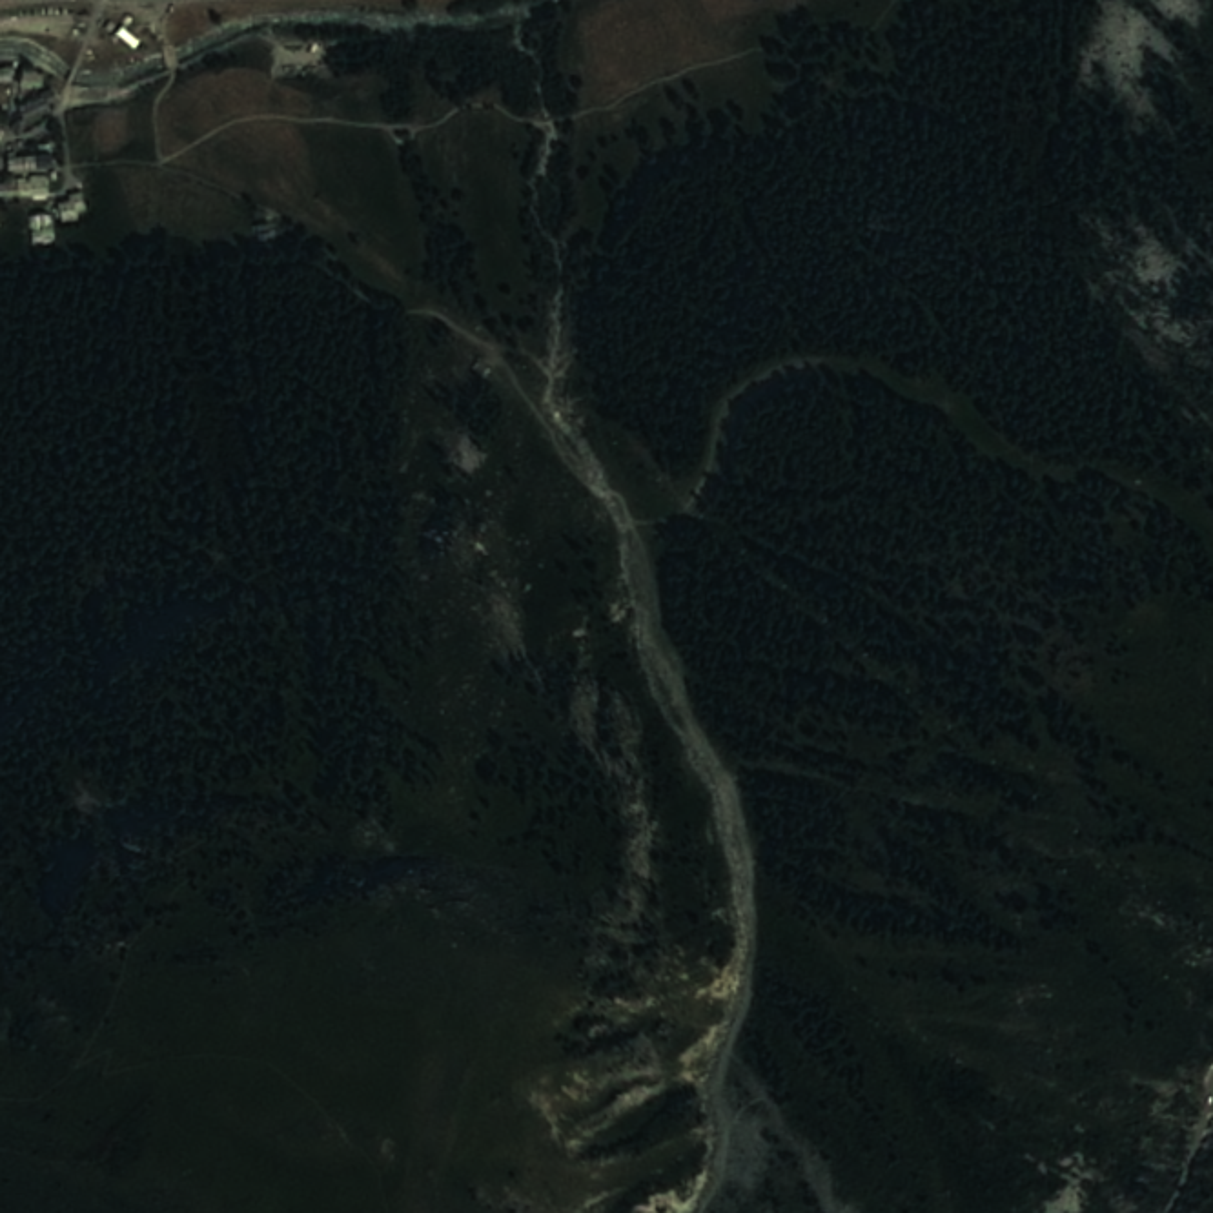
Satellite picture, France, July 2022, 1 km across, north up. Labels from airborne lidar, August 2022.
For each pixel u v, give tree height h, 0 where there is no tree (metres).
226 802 8
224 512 23
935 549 14
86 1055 0
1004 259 21
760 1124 0
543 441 0
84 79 0
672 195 23
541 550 0
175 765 18
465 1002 0
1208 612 0
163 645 10
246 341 28
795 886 14
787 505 20
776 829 17
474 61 13
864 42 23
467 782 0
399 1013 0
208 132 0
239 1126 0
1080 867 0
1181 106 12
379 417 23
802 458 14
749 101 0
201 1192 0
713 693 13
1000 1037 0
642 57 0
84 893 8
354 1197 0
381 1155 0
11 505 19
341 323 23
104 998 0
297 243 21
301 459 22
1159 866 0
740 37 0
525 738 8
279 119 0
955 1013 0
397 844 0
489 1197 0
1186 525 15
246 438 6
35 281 22
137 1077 0
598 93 0
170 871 8
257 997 0
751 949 0
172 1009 0
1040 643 14
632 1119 0
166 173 0
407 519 17
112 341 26
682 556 11
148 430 27
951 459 23
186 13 0
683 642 15
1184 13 0
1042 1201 0
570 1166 0
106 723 11
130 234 0
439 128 0
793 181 22
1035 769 0
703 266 19
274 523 16
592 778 9
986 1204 0
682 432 21
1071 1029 0
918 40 19
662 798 6
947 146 19
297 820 19
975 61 15
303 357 24
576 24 0
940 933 13
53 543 20
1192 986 0
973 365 24
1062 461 15
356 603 16
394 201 0
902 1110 0
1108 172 16
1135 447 21
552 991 0
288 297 24
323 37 7
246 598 11
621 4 0
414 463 0
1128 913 0
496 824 0
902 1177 0
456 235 18
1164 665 0
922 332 19
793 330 21
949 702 19
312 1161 0
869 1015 0
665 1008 0
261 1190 0
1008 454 0
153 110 0
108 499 21
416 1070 0
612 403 14
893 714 21
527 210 10
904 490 20
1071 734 14
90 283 24
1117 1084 0
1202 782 0
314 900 18
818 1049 14
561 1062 0
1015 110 7
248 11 0
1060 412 21
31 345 22
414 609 22
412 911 0
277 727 22
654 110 0
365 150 0
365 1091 0
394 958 0
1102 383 19
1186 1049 0
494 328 18
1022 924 0
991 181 23
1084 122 22
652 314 23
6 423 25
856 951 0
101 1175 0
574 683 15
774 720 12
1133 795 0
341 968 0
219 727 16
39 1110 0
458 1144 0
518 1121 0
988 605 13
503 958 0
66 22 0
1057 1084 0
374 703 13
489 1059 0
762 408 19
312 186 0
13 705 12
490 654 0
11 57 0
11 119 7
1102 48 0
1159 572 21
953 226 22
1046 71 20
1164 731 0
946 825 25
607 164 0
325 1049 0
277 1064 0
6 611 15
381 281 0
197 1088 0
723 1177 0
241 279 23
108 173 0
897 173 22
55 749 20
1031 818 0
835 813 19
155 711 14
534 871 0
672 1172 0
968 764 9
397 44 14
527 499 0
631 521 0
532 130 11
